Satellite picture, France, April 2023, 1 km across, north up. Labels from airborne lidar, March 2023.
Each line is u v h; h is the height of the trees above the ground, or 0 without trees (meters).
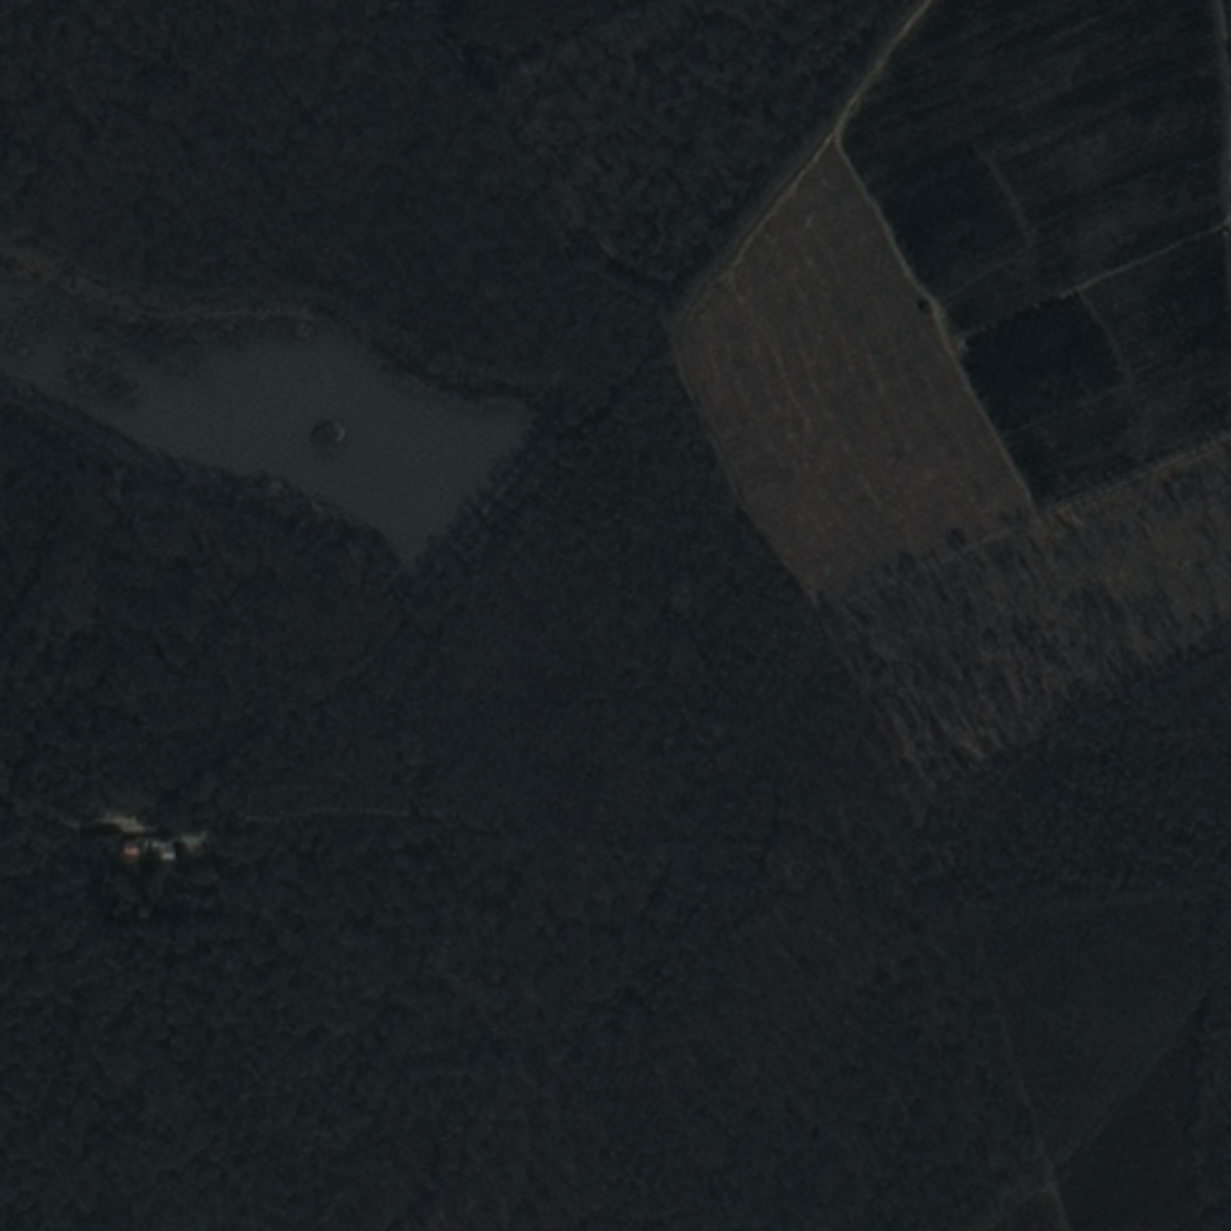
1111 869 18
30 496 20
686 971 24
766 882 21
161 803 15
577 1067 23
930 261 10
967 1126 28
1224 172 0
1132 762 16
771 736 20
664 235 23
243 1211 21
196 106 27
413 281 21
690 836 25
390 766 22
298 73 27
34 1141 26
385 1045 23
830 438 0
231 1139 25
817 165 0
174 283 21
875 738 25
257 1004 25
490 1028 11
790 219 0
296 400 0
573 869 25
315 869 30
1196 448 0
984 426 0
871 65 22
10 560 23
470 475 0
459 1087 26
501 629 28
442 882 23
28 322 0
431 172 19
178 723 20
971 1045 20
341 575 23
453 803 26
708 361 0
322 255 18
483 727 26
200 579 22
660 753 28
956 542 0
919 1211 23
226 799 18
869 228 0
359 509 0
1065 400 9
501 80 16
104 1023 29
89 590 23
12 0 24
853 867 29
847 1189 27
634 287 21
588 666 21
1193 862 22
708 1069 25
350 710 24
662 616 23
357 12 27
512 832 25
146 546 22
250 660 25
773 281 0
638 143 11
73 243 21
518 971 25
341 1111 24
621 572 25
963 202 8
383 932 29
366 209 24
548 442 15
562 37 21
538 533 21
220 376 0
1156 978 19
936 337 0
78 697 16
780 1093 28
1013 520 0
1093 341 9
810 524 0
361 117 18
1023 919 15
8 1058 24
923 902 22
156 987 20
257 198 27
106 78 28
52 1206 24
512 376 17
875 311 0
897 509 0
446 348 21
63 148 25
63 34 22
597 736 22
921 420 0
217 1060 14
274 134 30
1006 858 21
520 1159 26
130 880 25
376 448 0
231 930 21
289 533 17
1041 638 20
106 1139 22
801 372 0
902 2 23
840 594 0
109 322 0
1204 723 17
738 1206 25
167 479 6
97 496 27
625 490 22
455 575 22
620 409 19
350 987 27
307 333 0
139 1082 15
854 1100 27
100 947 27
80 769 20
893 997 25
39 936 30
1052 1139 14
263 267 20
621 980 21
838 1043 28
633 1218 22
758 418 0
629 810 22
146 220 23
